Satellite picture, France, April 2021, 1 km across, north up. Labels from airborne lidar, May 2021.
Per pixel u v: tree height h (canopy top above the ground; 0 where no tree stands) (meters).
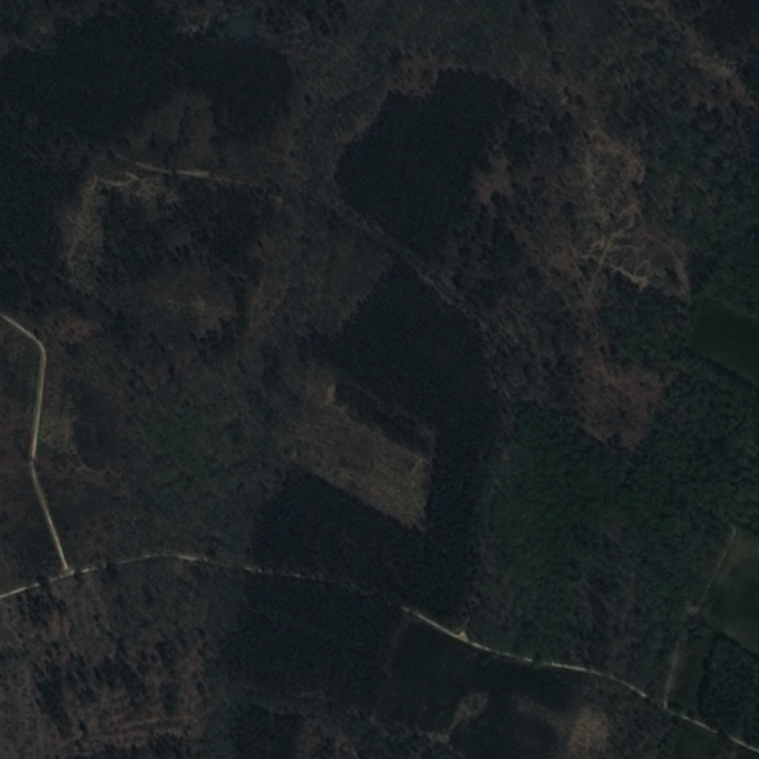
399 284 17
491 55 17
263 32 7
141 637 19
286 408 15
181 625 16
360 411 9
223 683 20
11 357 0
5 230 19
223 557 19
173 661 27
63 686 15
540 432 21
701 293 17
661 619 17
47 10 13
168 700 21
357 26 19
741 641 0
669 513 17
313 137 11
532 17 15
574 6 14
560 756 0
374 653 18
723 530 15
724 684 16
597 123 0
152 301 0
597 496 18
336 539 18
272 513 18
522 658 22
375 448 0
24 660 18
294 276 10
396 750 21
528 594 14
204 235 21
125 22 14
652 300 15
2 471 14
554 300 10
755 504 10
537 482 17
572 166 10
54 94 17
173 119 0
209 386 18
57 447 0
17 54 18
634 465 19
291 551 17
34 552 0
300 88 5
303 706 9
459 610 18
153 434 21
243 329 18
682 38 12
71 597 0
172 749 16
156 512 20
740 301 21
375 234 12
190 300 0
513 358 16
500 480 15
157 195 0
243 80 15
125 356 12
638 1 0
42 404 0
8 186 17
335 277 0
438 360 17
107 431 0
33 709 0
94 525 10
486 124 16
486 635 15
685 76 10
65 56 18
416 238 19
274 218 18
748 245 15
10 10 20
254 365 13
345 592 17
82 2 16
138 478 16
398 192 15
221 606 14
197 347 19
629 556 20
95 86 18
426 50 13
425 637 7
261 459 17
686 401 16
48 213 16
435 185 16
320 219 12
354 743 16
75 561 11
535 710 0
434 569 19
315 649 16
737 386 22
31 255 13
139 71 17
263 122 19
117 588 10
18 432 0
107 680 14
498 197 8
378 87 11
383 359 18
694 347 0
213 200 16
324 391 0
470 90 17
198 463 18
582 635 14
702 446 22
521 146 22
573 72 13
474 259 23
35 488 0
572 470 23
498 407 16
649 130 7
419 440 9
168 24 13
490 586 19
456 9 17
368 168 16
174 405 17
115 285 12
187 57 15
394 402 16
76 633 17
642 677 18
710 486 22
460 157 16
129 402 14
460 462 17
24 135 16
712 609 0
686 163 15
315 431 0
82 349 14
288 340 13
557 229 15
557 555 15
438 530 20
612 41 12
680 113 21
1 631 0
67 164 16
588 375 0
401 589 18
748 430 20
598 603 21
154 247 14
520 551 16
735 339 0
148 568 16
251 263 20
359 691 16
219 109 14
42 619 19
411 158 16
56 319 0
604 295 9
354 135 6
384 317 16
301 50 10
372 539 17
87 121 18
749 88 22
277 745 16
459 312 17
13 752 0
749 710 18
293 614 17
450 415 19
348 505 18
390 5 18
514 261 22
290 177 8
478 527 16
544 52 11
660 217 11
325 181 12
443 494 15
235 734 16
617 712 20
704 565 18
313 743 6
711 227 16
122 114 16
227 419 15
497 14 15
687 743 0
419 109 16
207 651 17
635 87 20
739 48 12
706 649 0
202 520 20
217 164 0
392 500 0
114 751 13
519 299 14
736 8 9
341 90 16
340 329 0
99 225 0
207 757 18
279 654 16
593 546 18
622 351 18
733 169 11
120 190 0
